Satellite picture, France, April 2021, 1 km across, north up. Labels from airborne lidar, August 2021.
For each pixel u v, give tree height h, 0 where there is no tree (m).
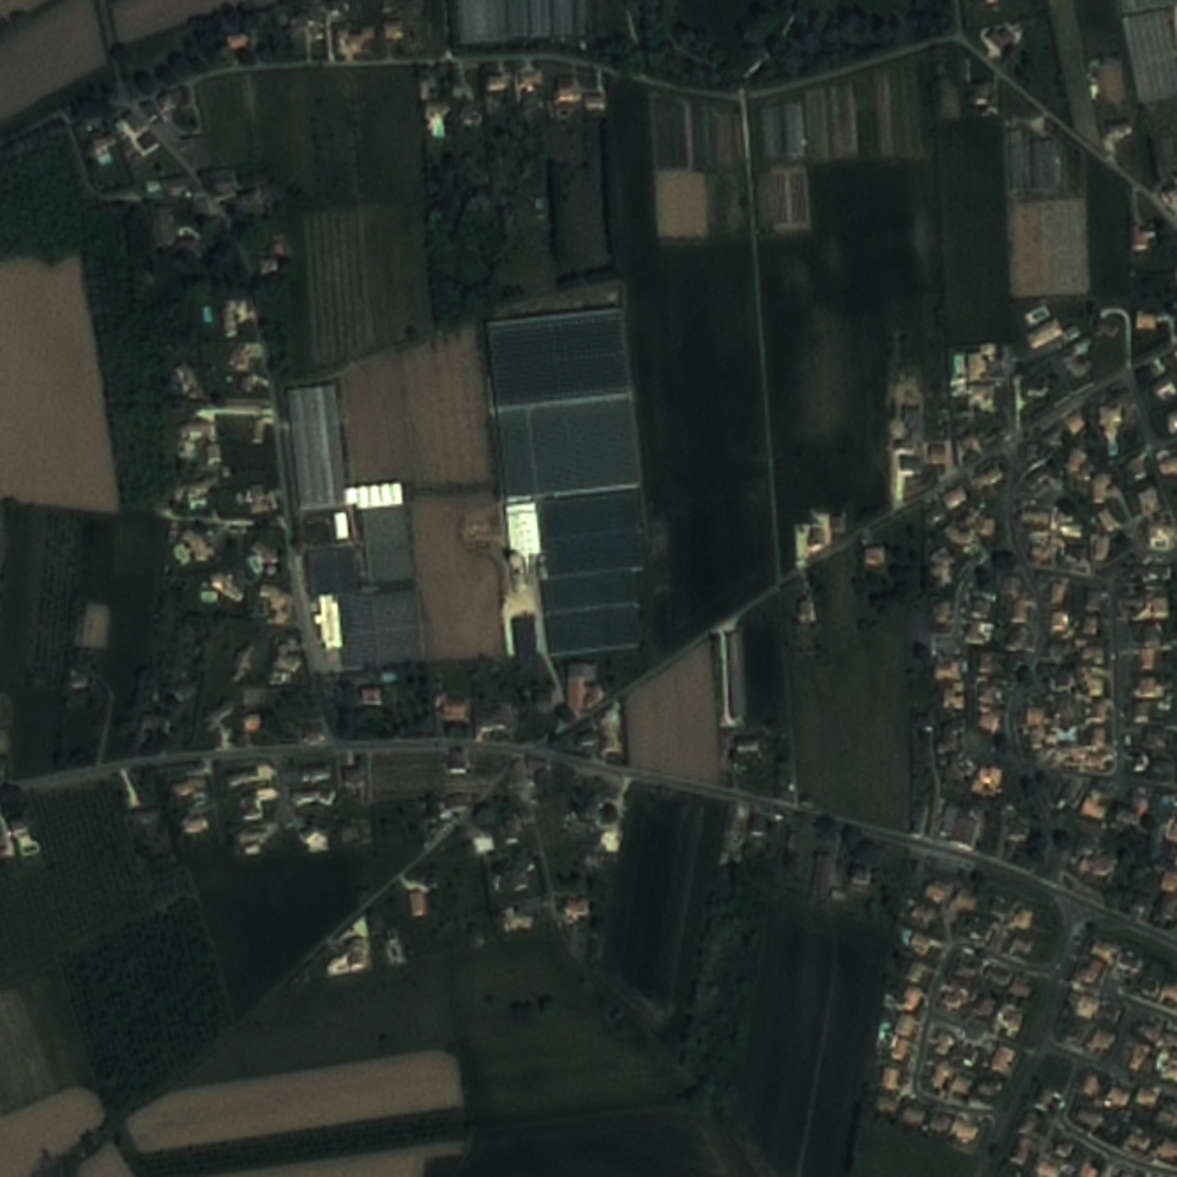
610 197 15
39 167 19
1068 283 0
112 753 0
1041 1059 0
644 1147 0
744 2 0
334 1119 0
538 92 6
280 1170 0
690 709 0
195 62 12
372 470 0
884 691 0
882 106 0
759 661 0
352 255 0
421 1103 0
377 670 7
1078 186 0
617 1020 7
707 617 0
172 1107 0
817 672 0
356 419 0
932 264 0
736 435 0
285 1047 0
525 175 9
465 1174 0
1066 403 0
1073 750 0
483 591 0
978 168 0
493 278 10
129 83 8
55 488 0
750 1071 0
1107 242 0
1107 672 0
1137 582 7
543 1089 0
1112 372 0
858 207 0
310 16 0
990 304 0
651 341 0
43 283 0
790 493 0
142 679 12
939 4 12
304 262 0
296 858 0
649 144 0
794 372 0
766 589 0
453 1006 0
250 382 0
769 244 0
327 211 0
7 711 0
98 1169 0
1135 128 0
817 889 0
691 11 0
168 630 7
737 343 0
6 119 0
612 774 0
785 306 0
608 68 13
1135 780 0
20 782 0
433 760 0
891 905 9
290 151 0
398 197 0
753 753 7
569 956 0
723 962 8
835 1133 0
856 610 0
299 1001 0
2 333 0
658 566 0
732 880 8
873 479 0
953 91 0
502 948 0
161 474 14
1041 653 0
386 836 8
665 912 0
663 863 0
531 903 0
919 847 0
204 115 0
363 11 0
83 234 11
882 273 0
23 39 0
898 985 6
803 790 0
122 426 9
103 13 0
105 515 0
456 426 0
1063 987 0
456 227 9
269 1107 0
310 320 0
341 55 0
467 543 0
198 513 9
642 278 0
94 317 11
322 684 10
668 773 0
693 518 0
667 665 0
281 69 0
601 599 0
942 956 0
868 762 0
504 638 0
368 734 16
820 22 18
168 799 9
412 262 0
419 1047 0
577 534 0
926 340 0
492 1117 0
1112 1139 7
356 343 0
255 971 0
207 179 8
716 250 0
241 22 15
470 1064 0
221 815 0
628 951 0
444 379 0
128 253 7
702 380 0
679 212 0
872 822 0
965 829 0
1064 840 14
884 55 9
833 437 0
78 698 8
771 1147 0
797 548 0
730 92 16
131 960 6
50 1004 0
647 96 0
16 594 0
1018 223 0
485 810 10
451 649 0
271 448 0
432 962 0
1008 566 12
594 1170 0
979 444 7
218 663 0
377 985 0
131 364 9
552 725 0
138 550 0
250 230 18
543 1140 0
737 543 0
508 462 0
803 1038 0
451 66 6
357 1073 0
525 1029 0
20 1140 0
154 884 6
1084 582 0
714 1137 0
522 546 0
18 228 12
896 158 0
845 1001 0
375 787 0
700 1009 12
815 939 0
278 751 0
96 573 0
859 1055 0
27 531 0
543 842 0
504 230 16
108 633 0
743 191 0
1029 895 0
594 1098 0
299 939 0
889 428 0
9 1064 0
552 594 0
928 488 0
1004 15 0
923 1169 0
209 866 0
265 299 20
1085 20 0
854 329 0
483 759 0
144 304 8
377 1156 0
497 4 0
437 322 7
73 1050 0
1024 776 0
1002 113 9
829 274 0
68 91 0
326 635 0
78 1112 0
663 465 0
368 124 0
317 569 0
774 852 8
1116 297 0
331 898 0
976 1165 0
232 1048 0
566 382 0
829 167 0
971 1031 0
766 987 0
